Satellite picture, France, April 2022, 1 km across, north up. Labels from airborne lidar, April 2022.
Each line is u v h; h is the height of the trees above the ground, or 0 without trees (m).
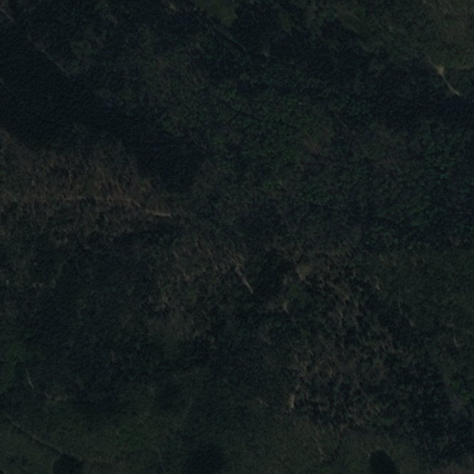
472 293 15
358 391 13
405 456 15
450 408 31
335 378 15
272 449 16
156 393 15
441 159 30
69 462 12
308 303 14
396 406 23
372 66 28
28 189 22
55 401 11
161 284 19
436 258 18
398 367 14
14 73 28
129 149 29
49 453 20
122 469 16
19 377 20
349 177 30
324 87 22
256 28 28
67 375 15
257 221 31
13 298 24
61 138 26
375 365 34
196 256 24
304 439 14
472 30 21
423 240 24
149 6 33
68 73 27
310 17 20
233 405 16
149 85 30
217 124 32
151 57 29
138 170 24
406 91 31
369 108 32
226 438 18
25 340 26
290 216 29
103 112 31
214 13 0
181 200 25
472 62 17
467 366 22
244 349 16
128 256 18
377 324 37
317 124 32
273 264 9
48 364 14
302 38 35
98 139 27
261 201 26
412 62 22
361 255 20
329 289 9
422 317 23
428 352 25
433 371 15
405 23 28
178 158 32
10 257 14
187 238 22
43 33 25
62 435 10
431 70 24
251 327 12
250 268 20
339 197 34
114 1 34
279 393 14
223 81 32
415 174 35
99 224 8
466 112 34
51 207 22
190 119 28
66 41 28
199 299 25
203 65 27
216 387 18
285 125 30
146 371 11
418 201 32
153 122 31
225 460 12
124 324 16
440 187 30
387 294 22
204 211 13
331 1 29
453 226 22
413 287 25
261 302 15
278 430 13
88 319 18
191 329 23
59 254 24
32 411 13
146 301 18
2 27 23
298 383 14
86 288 20
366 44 28
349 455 16
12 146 23
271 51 21
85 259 22
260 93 28
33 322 28
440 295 19
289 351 12
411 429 25
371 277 20
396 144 33
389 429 15
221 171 29
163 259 16
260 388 14
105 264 21
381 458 11
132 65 28
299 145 31
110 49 31
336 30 24
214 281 26
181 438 19
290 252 7
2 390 17
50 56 27
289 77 17
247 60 14
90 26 31
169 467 12
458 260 17
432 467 18
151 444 23
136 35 31
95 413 22
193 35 25
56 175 24
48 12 32
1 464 16
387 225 24
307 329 23
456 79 23
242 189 28
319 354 19
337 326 27
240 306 11
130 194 9
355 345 18
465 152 30
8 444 24
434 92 30
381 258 20
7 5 10
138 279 14
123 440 10
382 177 33
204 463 14
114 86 35
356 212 26
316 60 28
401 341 29
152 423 17
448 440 23
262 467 15
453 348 20
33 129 29
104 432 18
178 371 19
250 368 10
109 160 14
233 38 15
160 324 18
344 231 28
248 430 15
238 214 28
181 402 15
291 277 9
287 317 21
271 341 15
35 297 26
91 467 19
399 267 19
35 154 25
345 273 12
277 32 19
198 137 27
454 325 15
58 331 18
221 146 30
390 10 22
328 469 19
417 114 34
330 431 18
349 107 21
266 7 41
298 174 33
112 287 17
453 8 19
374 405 15
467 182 31
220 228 25
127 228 9
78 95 34
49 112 30
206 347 10
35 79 33
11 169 22
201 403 13
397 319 28
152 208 13
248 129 30
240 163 25
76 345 18
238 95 31
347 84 23
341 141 32
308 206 28
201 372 19
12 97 27
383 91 26
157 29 34
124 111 31
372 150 34
